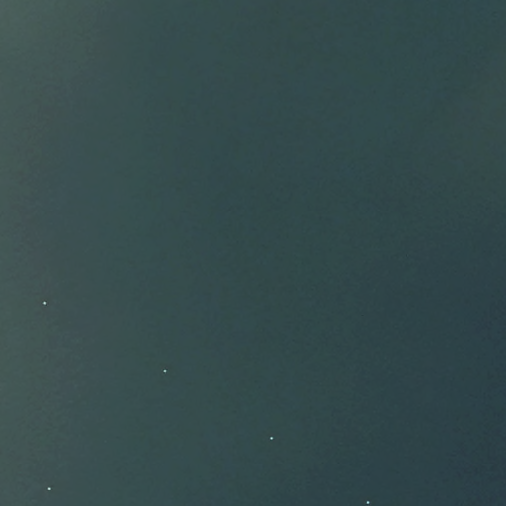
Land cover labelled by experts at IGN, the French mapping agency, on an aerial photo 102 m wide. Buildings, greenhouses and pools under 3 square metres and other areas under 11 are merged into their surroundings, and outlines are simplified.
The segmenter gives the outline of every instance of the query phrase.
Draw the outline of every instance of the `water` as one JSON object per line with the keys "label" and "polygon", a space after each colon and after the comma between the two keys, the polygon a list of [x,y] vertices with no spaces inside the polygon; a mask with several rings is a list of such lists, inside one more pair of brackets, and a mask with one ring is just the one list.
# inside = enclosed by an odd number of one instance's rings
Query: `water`
{"label": "water", "polygon": [[0,0],[0,506],[506,506],[506,0]]}

